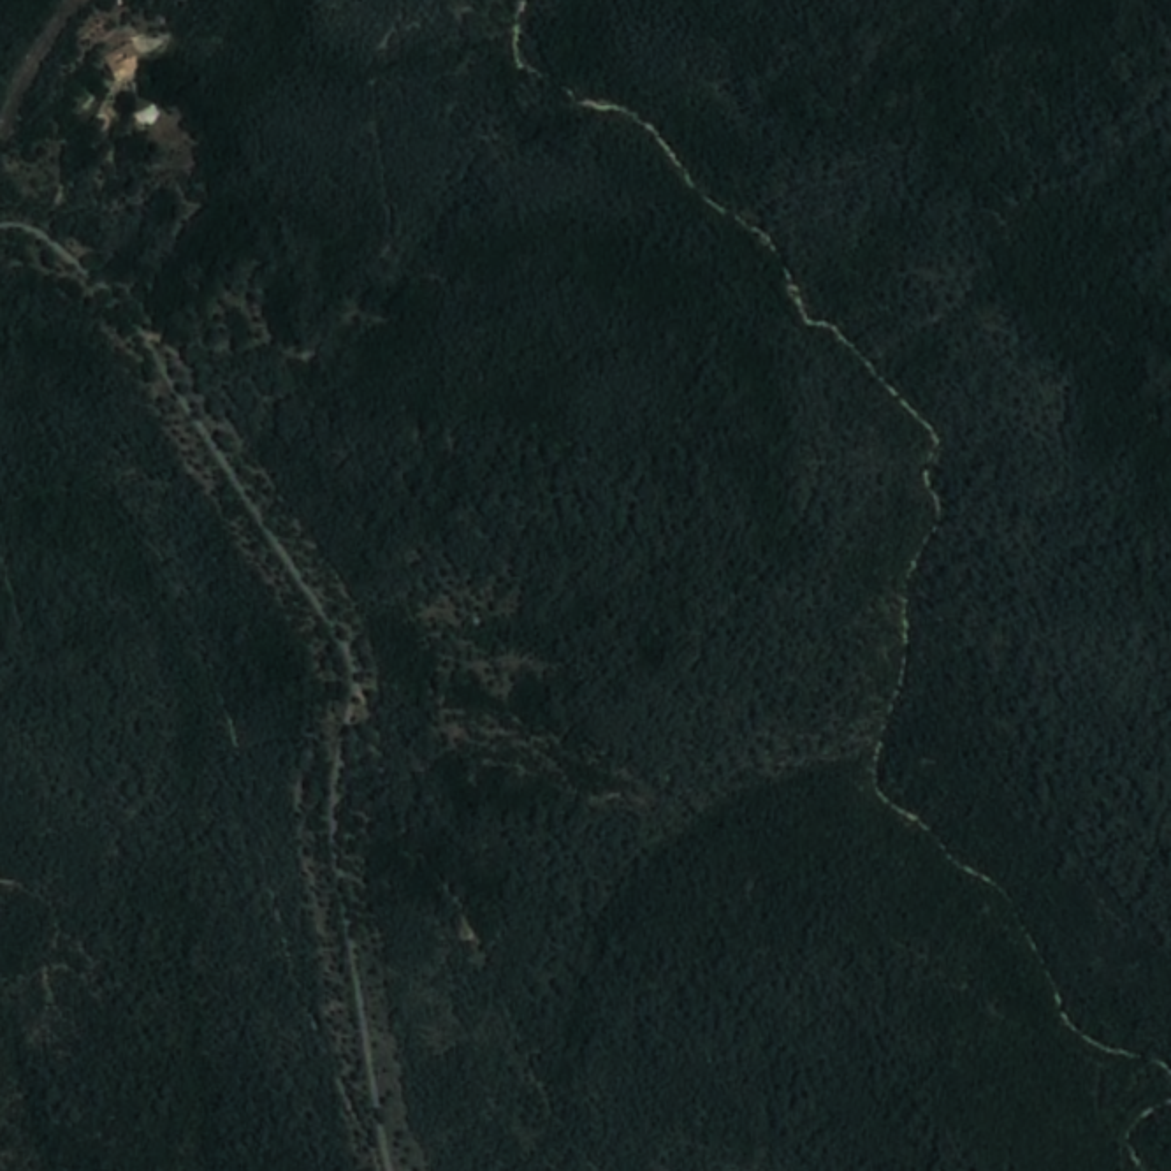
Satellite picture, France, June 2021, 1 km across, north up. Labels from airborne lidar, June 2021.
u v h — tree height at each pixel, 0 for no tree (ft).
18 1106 25
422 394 26
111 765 52
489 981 37
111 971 48
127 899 28
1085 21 39
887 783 52
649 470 31
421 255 28
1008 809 26
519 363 35
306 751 63
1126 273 49
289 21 43
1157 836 22
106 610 38
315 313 47
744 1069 41
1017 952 23
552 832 57
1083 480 25
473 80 34
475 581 56
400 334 39
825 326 24
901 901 30
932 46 36
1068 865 54
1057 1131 29
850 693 62
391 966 24
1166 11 27
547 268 35
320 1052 31
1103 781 45
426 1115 33
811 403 42
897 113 34
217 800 43
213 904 34
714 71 31
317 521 31
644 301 29
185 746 32
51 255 28
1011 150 45
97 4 23
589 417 46
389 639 31
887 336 39
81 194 51
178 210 55
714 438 21
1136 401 39
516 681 50
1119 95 34
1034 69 32
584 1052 49
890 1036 51
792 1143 42
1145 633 20
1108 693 40
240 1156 28
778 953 26
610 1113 40
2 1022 30
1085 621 39
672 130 36
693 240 51
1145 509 33
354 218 18
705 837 24
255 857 33
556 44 43
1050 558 47
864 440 37
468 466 54
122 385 58
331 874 25
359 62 47
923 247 58
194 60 24
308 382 28
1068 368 53
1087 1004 59
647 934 38
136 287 31
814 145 49
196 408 46
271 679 31
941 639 19
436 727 32
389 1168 0
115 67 0
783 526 33
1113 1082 24
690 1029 39
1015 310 26
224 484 22
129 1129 18
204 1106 37
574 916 74
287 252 60
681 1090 29
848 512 51
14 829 28
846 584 53
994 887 22
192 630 33
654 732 60
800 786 23
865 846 20
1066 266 38
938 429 28
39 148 23
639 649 26
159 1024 25
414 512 47
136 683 46
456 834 48
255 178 44
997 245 29
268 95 53
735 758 42
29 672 46
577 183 37
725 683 73
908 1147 23
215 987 22
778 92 38
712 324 47
